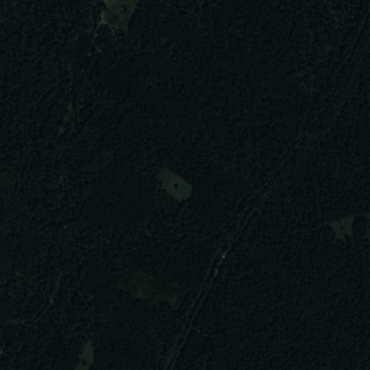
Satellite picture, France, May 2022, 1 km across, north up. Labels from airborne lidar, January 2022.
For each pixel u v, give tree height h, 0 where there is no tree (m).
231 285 16
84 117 14
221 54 22
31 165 8
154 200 24
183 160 21
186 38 21
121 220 22
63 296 30
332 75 30
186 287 20
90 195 21
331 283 16
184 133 17
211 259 8
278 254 23
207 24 23
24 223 27
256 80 22
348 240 28
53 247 26
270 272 18
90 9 23
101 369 20
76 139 26
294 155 35
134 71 7
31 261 22
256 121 19
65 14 23
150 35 19
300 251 18
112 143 13
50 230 10
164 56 18
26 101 33
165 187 0
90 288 20
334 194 16
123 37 14
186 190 0
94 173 24
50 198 27
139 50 18
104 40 18
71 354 21
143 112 22
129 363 20
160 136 20
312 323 19
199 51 19
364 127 24
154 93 19
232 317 24
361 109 17
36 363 15
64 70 17
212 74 22
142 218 19
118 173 24
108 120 19
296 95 19
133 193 20
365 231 14
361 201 28
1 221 22
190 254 20
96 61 30
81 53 6
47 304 18
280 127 26
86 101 14
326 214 28
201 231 15
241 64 22
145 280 0
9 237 15
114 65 6
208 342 16
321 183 27
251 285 18
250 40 21
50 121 32
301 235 22
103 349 22
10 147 19
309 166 26
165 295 0
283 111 21
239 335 25
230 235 12
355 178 26
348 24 28
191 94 20
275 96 24
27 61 27
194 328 24
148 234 0
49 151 19
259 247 24
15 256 26
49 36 23
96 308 32
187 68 18
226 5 22
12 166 22
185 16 19
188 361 26
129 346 21
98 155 40
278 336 14
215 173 19
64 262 33
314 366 27
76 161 21
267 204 33
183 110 20
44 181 19
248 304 25
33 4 16
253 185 24
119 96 8
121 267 11
